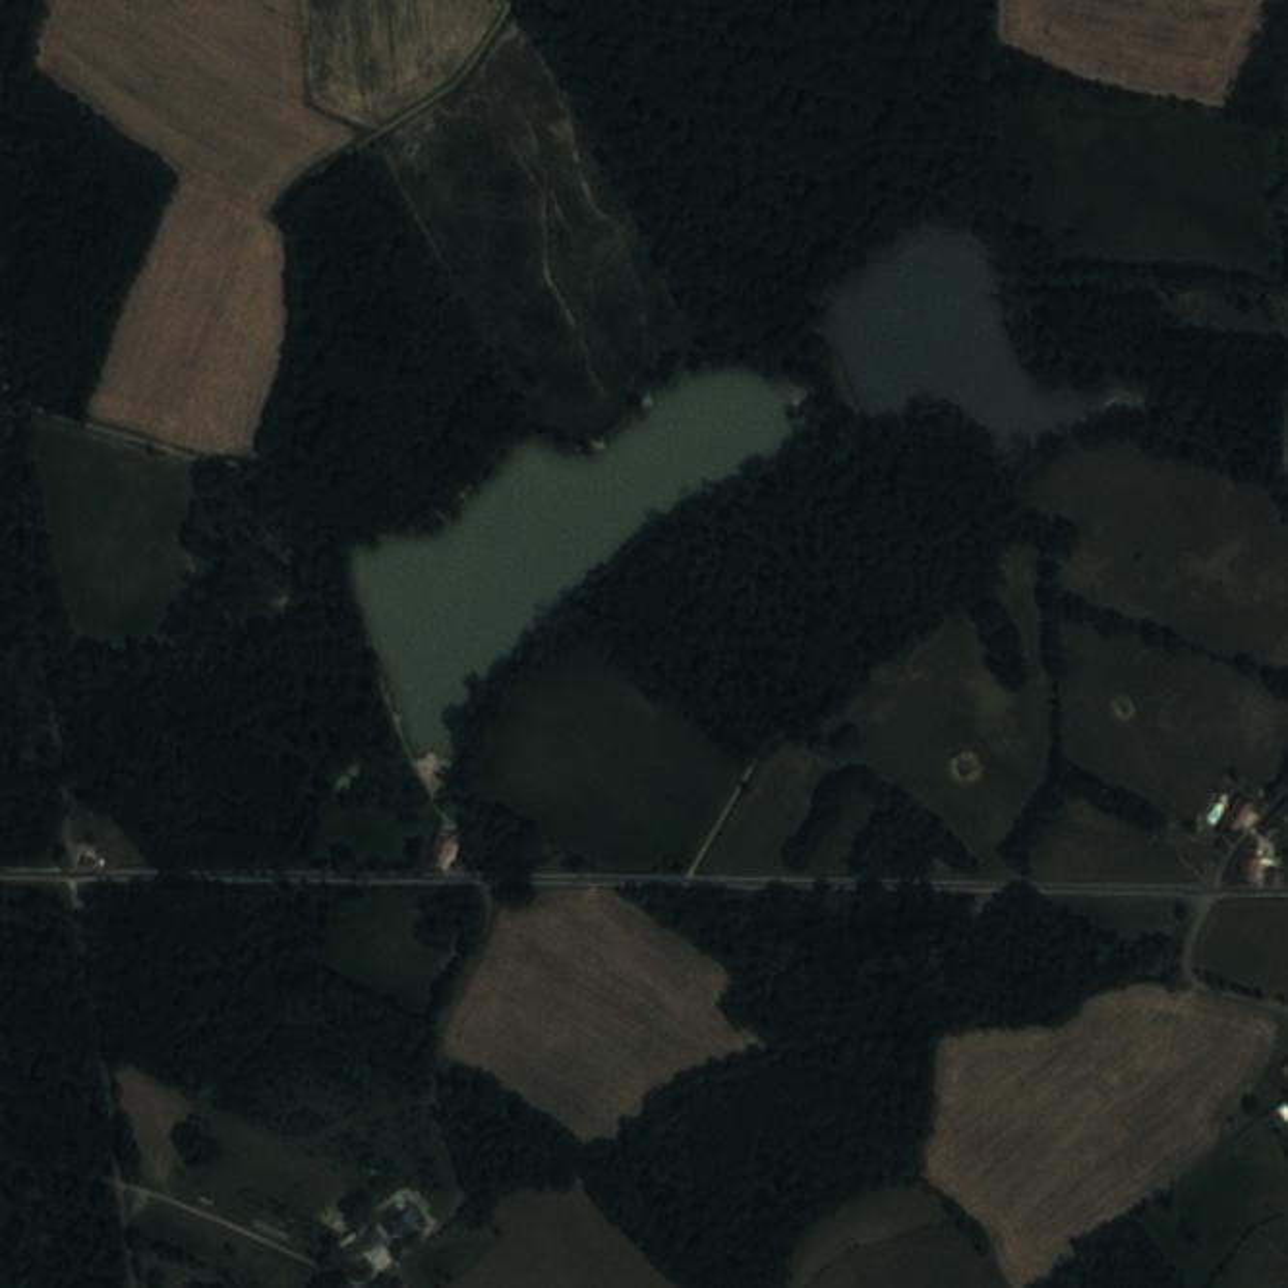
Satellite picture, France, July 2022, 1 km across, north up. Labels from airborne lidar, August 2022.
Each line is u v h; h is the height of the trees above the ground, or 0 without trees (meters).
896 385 0
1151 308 18
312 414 25
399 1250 10
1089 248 0
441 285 16
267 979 22
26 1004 24
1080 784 22
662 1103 14
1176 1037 0
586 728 0
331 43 0
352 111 0
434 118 0
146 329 0
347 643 24
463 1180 12
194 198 0
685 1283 18
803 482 25
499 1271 0
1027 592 0
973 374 0
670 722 0
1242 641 0
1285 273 6
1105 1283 31
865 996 26
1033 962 15
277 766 21
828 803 17
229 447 0
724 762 0
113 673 19
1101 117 0
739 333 22
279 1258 0
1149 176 0
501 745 0
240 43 0
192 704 20
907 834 9
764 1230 22
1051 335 17
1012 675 26
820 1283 0
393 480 17
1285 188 9
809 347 23
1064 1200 0
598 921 0
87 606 0
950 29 25
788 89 20
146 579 0
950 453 22
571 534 0
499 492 0
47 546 19
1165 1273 24
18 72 24
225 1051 21
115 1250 12
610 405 0
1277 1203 0
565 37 21
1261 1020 0
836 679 20
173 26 0
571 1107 0
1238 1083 0
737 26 18
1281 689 17
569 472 0
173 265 0
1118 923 0
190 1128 12
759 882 0
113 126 11
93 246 18
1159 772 0
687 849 0
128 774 26
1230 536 0
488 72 0
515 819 15
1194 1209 0
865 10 28
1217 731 0
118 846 0
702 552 25
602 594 17
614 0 22
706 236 16
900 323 0
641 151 26
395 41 0
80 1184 20
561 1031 0
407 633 0
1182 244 0
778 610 10
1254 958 0
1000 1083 0
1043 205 0
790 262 22
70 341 19
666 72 26
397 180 12
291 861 6
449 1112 19
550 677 0
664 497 0
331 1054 8
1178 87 0
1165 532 0
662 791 0
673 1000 0
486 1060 0
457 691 0
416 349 16
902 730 0
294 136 0
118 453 0
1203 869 0
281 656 23
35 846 22
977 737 0
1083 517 0
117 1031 23
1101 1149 0
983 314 0
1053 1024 14
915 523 18
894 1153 25
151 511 0
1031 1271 0
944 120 28
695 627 17
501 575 0
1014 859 17
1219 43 0
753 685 21
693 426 0
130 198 19
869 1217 0
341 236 19
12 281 19
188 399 0
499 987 0
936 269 0
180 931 18
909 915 14
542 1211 0
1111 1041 0
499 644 0
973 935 18
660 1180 21
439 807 6
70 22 0
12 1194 30
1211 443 25
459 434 27
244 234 0
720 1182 26
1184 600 0
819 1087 25
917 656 0
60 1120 25
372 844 0
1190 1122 0
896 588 18
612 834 0
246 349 0
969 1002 19
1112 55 0
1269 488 10
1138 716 0
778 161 22
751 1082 17
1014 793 0
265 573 25
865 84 27
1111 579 0
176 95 0
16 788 23
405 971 0
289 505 24
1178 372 16
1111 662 0
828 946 17
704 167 23
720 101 20
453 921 8
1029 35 0
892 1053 29
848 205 25
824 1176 20
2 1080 22
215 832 26
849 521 25
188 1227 0
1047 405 0
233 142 0
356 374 19
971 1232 12
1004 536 19
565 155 0
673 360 17
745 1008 20
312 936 13
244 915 15
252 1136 0
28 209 18
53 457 0
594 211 0
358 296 17
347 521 18
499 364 17
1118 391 0
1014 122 0
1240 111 18
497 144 0
